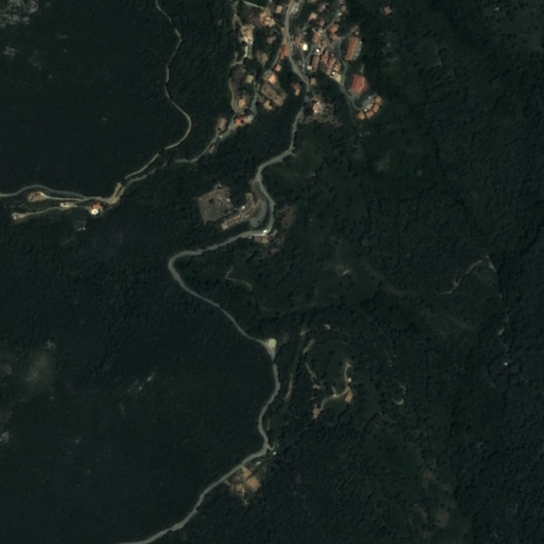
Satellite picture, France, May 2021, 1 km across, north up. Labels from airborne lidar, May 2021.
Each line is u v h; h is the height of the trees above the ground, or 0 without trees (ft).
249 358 21
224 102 0
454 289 30
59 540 20
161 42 36
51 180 20
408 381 38
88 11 18
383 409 27
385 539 41
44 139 20
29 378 0
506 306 35
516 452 56
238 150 36
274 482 22
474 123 40
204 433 21
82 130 19
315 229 0
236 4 0
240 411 27
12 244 34
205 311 25
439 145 34
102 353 17
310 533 27
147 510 23
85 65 21
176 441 25
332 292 0
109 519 19
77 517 18
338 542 23
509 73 63
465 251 34
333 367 0
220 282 66
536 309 20
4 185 20
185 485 24
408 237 45
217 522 25
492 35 29
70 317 26
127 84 23
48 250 26
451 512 35
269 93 0
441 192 29
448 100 44
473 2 44
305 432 45
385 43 22
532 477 57
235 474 0
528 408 61
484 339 43
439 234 42
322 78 32
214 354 31
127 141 18
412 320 44
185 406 24
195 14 46
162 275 23
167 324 41
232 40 43
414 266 23
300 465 54
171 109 26
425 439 43
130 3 46
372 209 52
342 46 22
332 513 28
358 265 0
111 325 42
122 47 22
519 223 30
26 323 26
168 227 34
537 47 0
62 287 37
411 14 33
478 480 44
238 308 53
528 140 62
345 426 64
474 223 32
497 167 18
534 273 20
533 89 42
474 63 23
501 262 52
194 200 20
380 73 23
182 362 36
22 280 31
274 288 56
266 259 24
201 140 19
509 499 21
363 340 35
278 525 33
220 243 32
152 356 23
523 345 46
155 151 24
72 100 18
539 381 68
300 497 23
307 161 0
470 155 24
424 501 40
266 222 21
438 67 25
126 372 28
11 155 22
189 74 49
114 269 23
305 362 45
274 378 25
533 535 51
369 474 32
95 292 21
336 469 42
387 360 25
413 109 33
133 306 28
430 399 35
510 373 23
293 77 64
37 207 0
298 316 32
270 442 33
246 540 41
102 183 20
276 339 0
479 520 57
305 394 28
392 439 0
